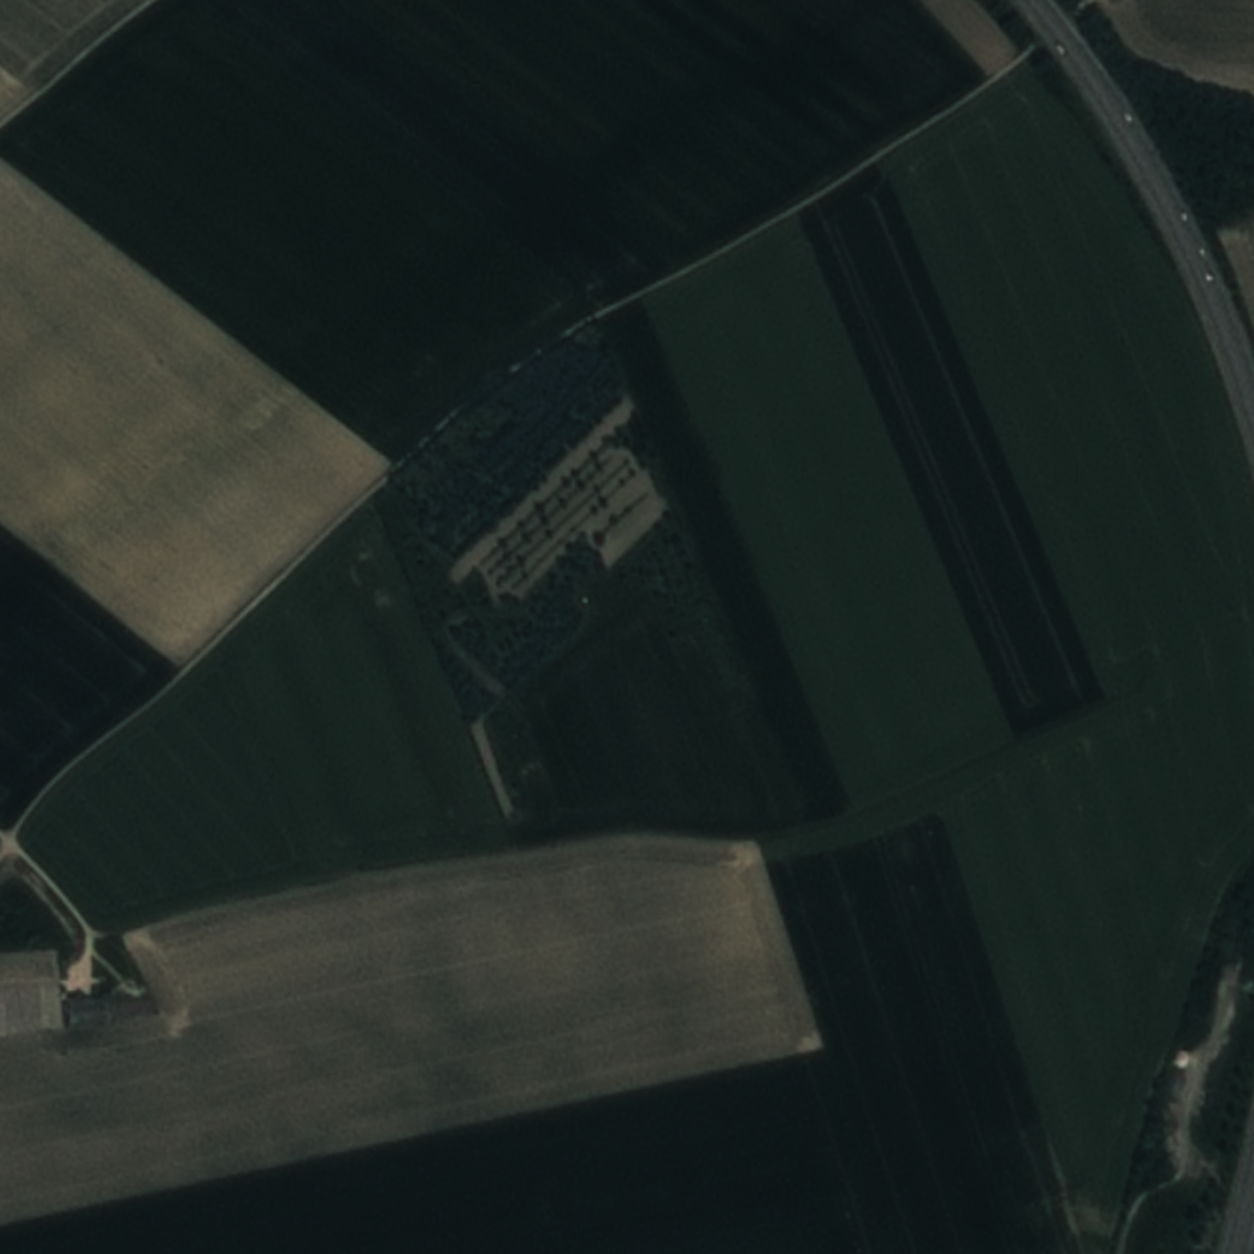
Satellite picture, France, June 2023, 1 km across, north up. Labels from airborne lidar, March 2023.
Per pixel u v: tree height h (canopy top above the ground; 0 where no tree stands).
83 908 0
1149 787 0
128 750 0
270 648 0
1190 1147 0
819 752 0
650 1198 0
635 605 0
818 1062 0
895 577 0
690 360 0
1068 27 0
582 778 0
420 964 0
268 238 0
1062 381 0
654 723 0
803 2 0
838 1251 0
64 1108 0
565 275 0
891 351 0
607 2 0
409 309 0
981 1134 0
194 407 0
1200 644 0
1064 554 0
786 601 0
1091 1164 0
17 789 0
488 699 8
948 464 0
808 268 0
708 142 0
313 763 0
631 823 0
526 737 0
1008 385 0
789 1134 0
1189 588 0
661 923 0
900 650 0
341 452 0
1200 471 0
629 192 0
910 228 0
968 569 0
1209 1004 0
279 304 0
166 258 0
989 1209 0
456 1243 0
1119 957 0
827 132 0
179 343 0
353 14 0
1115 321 0
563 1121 0
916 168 0
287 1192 0
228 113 0
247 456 0
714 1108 0
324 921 0
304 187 0
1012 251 0
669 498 0
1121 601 0
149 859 0
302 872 0
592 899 0
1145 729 0
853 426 0
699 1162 0
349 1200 0
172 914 0
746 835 0
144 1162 0
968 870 0
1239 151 16
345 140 0
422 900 0
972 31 0
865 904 0
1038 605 0
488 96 0
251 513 0
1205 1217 11
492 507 8
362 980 0
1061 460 0
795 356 0
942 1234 0
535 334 0
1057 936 0
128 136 0
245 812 0
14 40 0
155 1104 0
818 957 0
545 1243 0
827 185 0
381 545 0
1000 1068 0
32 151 0
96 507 0
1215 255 11
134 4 0
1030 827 0
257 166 0
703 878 0
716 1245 0
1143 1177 9
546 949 0
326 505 0
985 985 0
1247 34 0
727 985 0
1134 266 0
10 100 0
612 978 0
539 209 0
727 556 0
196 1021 0
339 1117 0
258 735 0
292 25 0
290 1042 0
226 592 0
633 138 0
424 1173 0
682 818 0
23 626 0
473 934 0
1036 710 0
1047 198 0
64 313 0
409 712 0
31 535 0
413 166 0
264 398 0
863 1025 0
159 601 0
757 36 0
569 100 0
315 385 0
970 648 0
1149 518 0
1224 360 0
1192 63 0
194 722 0
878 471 0
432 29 0
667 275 0
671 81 0
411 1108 0
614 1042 0
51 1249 0
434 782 0
